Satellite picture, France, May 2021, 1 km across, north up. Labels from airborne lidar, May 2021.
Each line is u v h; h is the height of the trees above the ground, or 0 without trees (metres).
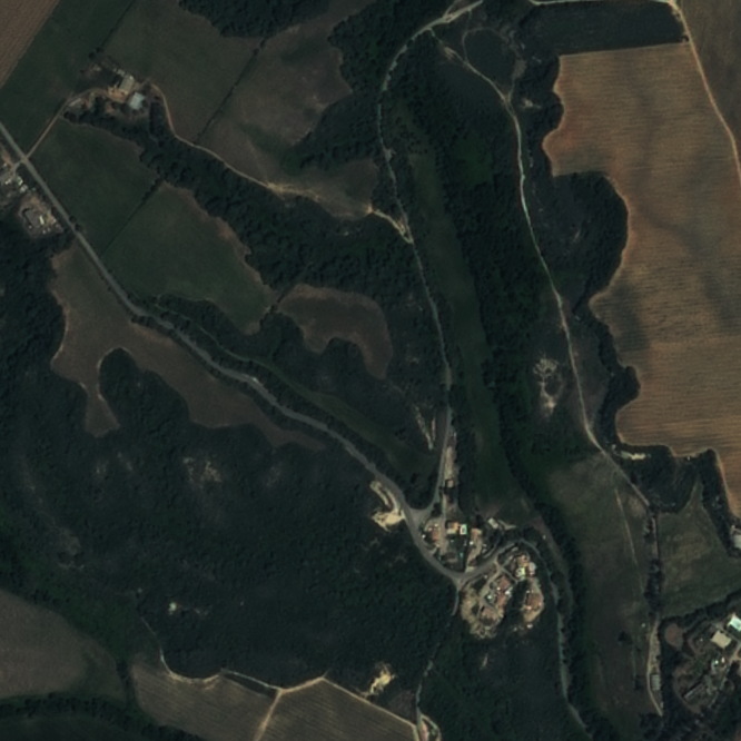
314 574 7
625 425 0
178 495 10
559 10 8
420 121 11
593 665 0
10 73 0
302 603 5
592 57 0
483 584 0
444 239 0
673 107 0
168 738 13
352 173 0
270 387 8
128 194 0
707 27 0
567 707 11
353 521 7
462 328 0
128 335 0
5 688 0
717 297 0
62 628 0
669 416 0
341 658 7
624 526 0
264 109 0
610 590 0
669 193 0
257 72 0
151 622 6
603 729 21
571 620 7
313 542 7
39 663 0
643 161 0
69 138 0
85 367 0
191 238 0
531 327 12
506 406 18
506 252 20
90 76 0
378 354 0
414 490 14
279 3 13
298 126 0
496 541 9
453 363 14
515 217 6
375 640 7
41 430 7
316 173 0
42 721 0
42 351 8
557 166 0
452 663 6
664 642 6
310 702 0
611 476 0
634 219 0
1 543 17
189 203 0
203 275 0
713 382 0
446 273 0
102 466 0
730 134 0
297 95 0
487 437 0
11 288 9
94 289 0
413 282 10
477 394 0
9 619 0
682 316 0
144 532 6
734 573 0
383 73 8
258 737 0
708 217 0
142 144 9
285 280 12
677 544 0
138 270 0
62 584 7
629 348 0
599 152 0
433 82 10
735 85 0
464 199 15
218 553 7
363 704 0
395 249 11
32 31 0
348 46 13
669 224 0
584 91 0
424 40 11
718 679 7
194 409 0
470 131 10
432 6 6
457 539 6
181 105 0
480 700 9
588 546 0
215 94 0
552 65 11
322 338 0
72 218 8
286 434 0
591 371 0
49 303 10
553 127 10
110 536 6
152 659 0
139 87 0
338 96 0
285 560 7
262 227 14
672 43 0
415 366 11
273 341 6
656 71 0
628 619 0
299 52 0
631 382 7
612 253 9
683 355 0
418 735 0
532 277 11
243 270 0
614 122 0
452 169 20
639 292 0
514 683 6
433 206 0
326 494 6
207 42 0
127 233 0
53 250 6
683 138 0
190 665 6
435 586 8
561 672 9
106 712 25
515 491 0
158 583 9
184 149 11
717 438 0
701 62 0
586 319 9
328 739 0
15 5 0
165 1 0
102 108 13
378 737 0
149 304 7
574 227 7
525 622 0
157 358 0
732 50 0
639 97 0
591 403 0
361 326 0
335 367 6
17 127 0
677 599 0
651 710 0
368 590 12
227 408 0
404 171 11
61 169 0
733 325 0
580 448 7
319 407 8
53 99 0
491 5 10
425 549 0
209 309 11
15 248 16
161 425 12
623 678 0
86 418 0
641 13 0
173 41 0
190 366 0
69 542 0
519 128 0
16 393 10
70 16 0
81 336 0
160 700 0
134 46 0
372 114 7
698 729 30
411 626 10
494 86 0
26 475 0
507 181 17
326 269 10
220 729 0
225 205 15
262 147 0
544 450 7
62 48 0
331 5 0
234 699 0
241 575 7
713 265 0
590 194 14
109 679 0
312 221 10
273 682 7
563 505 0
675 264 0
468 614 0
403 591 11
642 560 0
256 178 0
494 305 11
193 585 5
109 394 8
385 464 12
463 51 0
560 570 8
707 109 0
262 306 0
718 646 7
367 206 0
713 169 0
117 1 0
